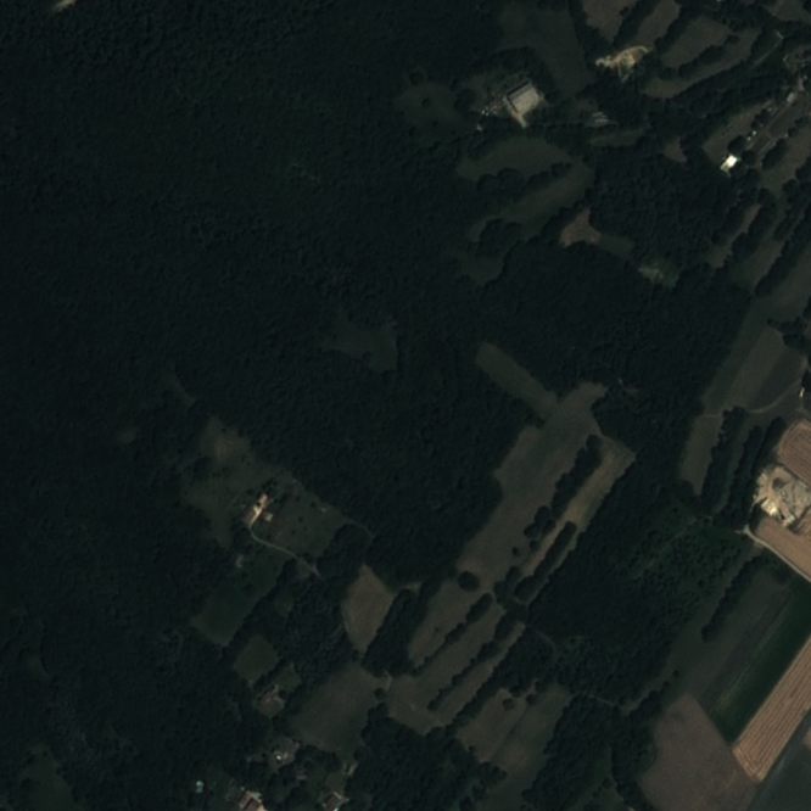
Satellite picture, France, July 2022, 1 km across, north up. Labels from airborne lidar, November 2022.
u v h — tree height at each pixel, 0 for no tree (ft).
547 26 0
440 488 66
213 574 43
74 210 78
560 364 56
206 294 54
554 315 59
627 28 49
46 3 52
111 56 32
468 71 47
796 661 0
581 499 0
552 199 0
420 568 56
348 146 56
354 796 64
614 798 0
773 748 0
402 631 42
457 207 62
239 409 59
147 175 60
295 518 0
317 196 46
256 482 0
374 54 59
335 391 44
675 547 24
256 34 28
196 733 64
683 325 55
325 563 62
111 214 85
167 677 63
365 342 0
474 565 0
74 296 70
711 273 67
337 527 0
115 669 51
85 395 73
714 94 44
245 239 88
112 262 48
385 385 72
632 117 49
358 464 70
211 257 65
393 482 68
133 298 45
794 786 0
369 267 70
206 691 65
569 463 0
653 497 32
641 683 61
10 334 68
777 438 47
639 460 32
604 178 65
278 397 43
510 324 55
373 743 61
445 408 73
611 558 60
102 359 60
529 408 25
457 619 0
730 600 43
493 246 60
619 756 59
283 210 50
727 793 0
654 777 0
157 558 69
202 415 40
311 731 0
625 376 45
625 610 61
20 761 59
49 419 68
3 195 78
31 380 67
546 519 55
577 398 0
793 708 0
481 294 51
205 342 51
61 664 68
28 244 75
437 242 59
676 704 0
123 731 68
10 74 74
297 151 52
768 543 0
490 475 60
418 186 58
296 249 60
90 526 33
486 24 64
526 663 49
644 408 48
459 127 0
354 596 0
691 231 53
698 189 68
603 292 55
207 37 28
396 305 65
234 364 55
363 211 71
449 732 30
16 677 62
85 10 45
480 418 67
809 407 0
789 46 37
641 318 57
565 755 49
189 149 51
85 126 58
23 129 81
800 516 0
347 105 53
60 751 46
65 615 63
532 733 0
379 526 64
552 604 58
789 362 0
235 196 59
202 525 25
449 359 30
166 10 70
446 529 76
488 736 0
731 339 59
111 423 53
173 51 68
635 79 28
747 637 0
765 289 45
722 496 60
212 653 52
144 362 60
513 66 60
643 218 69
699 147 54
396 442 73
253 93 26
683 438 62
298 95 43
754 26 56
